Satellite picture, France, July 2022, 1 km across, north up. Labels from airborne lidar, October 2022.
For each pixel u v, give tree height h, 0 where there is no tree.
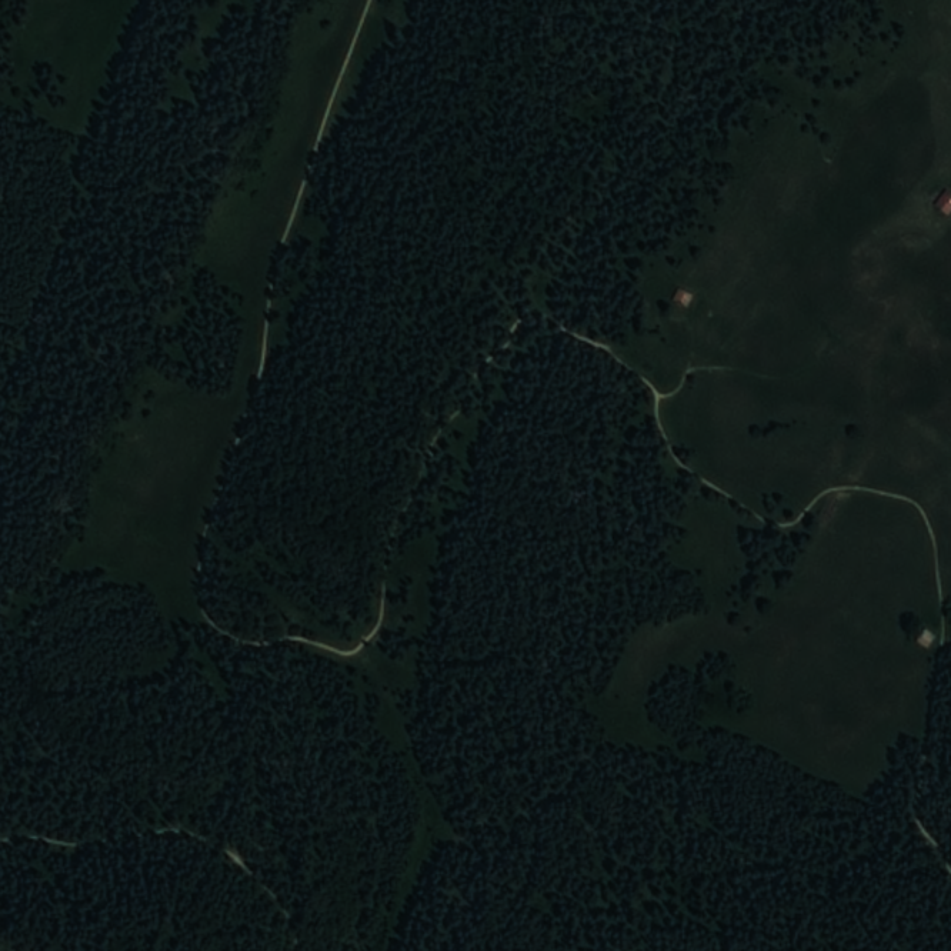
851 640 0
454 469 21
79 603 19
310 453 16
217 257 0
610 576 9
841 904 26
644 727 0
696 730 22
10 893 24
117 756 23
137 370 22
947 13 0
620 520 7
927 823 19
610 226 28
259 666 28
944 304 0
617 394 23
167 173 25
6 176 31
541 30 23
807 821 28
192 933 15
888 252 0
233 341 28
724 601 0
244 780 30
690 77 20
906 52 0
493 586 24
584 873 18
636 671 0
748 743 23
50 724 22
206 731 23
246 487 12
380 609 0
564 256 28
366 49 0
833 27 22
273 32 25
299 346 19
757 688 0
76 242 29
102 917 24
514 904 23
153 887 26
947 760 27
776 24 19
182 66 28
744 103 23
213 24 0
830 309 0
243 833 26
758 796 21
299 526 15
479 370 18
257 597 17
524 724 30
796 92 0
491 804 28
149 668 0
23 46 0
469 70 26
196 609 0
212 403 0
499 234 17
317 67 0
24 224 25
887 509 0
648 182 10
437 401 15
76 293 25
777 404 0
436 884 26
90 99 0
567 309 28
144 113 24
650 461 27
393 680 0
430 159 25
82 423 23
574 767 20
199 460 0
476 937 28
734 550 0
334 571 17
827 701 0
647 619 11
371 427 15
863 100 0
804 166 0
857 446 0
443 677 19
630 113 27
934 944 23
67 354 26
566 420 18
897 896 25
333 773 26
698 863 29
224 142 27
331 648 0
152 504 0
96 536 0
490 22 23
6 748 31
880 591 0
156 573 0
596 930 25
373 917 30
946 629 0
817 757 0
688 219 11
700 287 0
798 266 0
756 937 27
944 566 0
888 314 0
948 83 0
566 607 20
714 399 0
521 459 25
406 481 28
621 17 24
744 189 0
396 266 15
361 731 22
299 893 19
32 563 21
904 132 0
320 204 13
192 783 23
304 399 15
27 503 22
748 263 0
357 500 15
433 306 25
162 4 28
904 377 0
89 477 23
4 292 23
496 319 29
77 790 14
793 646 0
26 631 10
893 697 0
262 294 0
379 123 15
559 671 24
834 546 0
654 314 0
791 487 0
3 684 23
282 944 19
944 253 0
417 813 19
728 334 0
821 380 0
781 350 0
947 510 0
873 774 0
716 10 26
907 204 0
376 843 30
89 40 0
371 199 23
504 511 25
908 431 0
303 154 0
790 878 15
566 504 23
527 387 26
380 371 19
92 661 25
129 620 22
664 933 29
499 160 22
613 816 24
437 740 19
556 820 21
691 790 24
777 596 0
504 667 21
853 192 0
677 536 24
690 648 0
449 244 19
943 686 17
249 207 0
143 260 20
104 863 25
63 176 19
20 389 25
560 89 22
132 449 0
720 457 0
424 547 0
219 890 23
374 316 21
